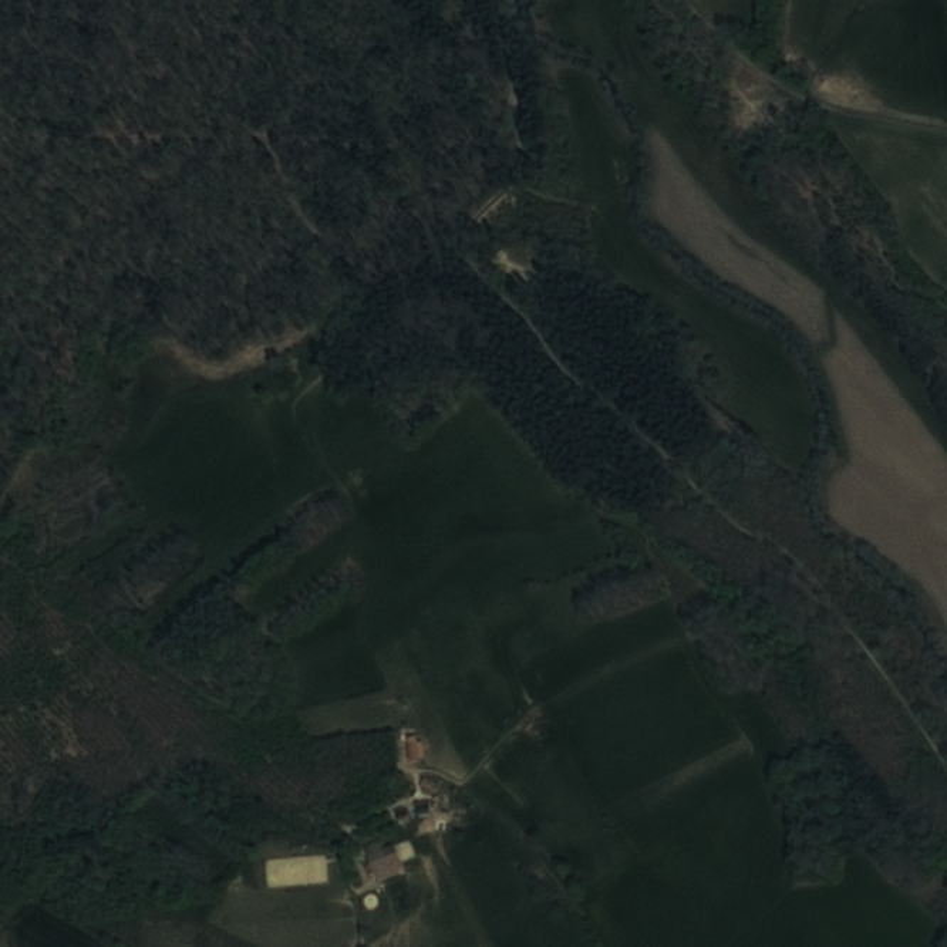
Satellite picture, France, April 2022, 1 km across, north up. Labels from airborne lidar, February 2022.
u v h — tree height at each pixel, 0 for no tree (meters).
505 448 0
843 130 0
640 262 0
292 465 0
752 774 0
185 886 24
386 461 0
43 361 26
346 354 24
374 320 26
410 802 0
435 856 0
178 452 0
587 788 0
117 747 11
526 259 0
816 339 0
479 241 35
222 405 0
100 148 22
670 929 0
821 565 13
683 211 0
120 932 0
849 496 0
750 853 0
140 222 24
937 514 0
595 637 0
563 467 30
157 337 30
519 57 25
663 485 31
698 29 27
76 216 30
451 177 22
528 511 0
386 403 27
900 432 0
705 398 23
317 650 0
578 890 19
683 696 0
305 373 0
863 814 25
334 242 15
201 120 27
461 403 29
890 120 0
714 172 0
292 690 28
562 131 22
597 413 32
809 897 0
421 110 28
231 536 0
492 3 29
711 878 0
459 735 0
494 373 30
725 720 0
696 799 0
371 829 9
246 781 10
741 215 0
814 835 31
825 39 0
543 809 0
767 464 31
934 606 0
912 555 0
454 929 0
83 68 25
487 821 0
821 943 0
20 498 0
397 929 0
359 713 0
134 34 26
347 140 26
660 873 0
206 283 28
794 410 0
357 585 23
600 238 0
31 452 23
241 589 26
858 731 14
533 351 33
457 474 0
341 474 0
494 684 0
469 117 26
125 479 0
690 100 21
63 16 28
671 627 0
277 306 32
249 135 27
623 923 0
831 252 21
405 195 24
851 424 0
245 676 31
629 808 0
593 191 0
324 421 0
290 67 26
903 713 10
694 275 19
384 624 0
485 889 0
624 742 0
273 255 28
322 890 0
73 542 0
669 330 29
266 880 0
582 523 0
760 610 35
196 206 26
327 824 9
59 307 31
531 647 0
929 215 0
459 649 0
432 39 30
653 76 0
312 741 6
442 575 0
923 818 15
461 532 0
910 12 0
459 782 0
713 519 14
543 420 26
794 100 0
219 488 0
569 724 0
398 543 0
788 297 0
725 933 0
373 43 26
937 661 17
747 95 0
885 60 0
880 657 25
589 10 0
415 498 0
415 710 0
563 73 0
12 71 25
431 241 26
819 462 20
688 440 32
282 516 0
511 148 29
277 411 0
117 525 29
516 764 0
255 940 0
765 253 0
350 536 0
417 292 24
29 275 28
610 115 0
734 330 0
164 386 0
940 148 0
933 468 0
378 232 24
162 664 27
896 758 14
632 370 25
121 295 27
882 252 0
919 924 0
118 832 18
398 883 0
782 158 29
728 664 30
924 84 0
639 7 24
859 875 0
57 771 11
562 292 31
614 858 0
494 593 0
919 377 17
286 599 0
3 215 28
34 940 0
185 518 0
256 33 24
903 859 29
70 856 19
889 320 25
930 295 10
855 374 0
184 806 29
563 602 0
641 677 0
